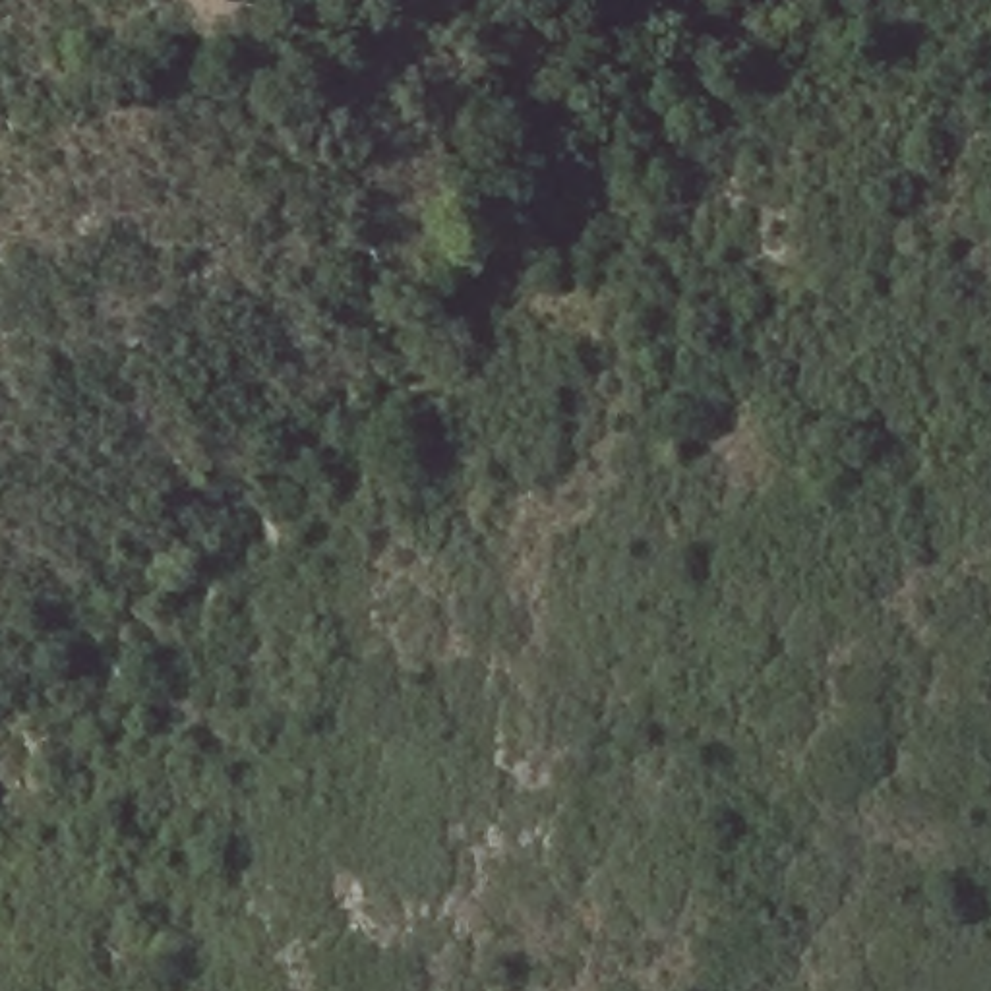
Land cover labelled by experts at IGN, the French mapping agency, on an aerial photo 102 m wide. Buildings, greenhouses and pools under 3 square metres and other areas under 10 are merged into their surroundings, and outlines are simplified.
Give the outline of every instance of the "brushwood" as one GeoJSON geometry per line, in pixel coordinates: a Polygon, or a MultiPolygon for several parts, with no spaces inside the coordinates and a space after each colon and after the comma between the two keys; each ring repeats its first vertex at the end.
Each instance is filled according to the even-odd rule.
{"type": "Polygon", "coordinates": [[[736,124],[728,132],[716,132],[705,108],[693,108],[677,97],[670,74],[654,77],[650,108],[666,120],[666,135],[685,147],[685,159],[670,174],[662,163],[631,170],[639,132],[627,124],[627,116],[616,120],[616,147],[600,159],[600,170],[577,166],[565,151],[565,128],[577,120],[569,105],[538,97],[534,105],[526,105],[519,120],[523,143],[542,163],[534,194],[542,197],[542,217],[526,236],[496,232],[480,252],[472,252],[480,259],[476,275],[457,267],[453,294],[441,310],[465,321],[468,337],[484,345],[492,356],[480,375],[465,383],[461,399],[445,399],[426,414],[406,418],[422,472],[414,484],[406,484],[403,468],[360,472],[348,453],[337,453],[321,437],[321,430],[337,403],[348,399],[348,375],[364,372],[364,356],[372,352],[364,325],[375,321],[372,286],[379,275],[372,271],[368,248],[410,244],[422,232],[422,221],[406,213],[399,221],[379,221],[383,205],[399,201],[368,178],[375,166],[430,155],[434,147],[399,116],[391,89],[414,58],[422,58],[434,46],[430,31],[449,23],[453,15],[472,12],[476,0],[391,0],[387,27],[360,27],[356,54],[348,66],[329,54],[314,70],[317,97],[348,112],[348,124],[329,143],[329,151],[298,147],[294,132],[286,128],[286,116],[275,124],[259,120],[248,105],[248,70],[236,70],[228,62],[221,77],[201,81],[194,74],[201,35],[194,31],[194,8],[186,0],[58,0],[46,27],[0,35],[0,213],[12,209],[4,194],[23,186],[23,174],[54,170],[66,163],[66,151],[54,135],[62,124],[89,124],[93,132],[108,128],[116,143],[143,143],[147,135],[155,135],[166,159],[182,159],[197,143],[209,151],[213,166],[232,166],[232,155],[248,151],[248,182],[267,197],[267,213],[248,236],[248,259],[252,267],[259,267],[259,290],[248,290],[240,279],[228,279],[232,290],[225,290],[221,298],[205,286],[190,286],[190,271],[201,271],[209,263],[205,252],[190,252],[178,263],[178,298],[170,298],[166,290],[159,290],[159,248],[147,244],[132,221],[105,225],[89,209],[77,217],[81,240],[66,252],[39,252],[31,240],[23,240],[12,244],[0,263],[0,991],[294,991],[286,968],[279,964],[279,952],[290,937],[302,941],[302,956],[314,972],[314,991],[406,991],[414,983],[414,952],[406,945],[379,948],[364,933],[356,933],[333,883],[345,871],[356,875],[364,894],[379,894],[387,902],[387,914],[403,910],[403,902],[445,902],[453,886],[472,890],[472,852],[461,852],[457,836],[465,836],[461,821],[472,809],[472,782],[499,774],[492,759],[496,712],[503,708],[503,697],[515,689],[499,674],[496,689],[484,693],[484,670],[492,654],[519,654],[530,639],[526,604],[511,604],[507,569],[496,554],[507,546],[515,496],[554,492],[573,468],[600,472],[592,449],[596,441],[619,430],[631,434],[631,441],[616,449],[619,484],[600,492],[600,503],[588,523],[554,534],[550,546],[550,662],[546,670],[538,670],[534,689],[546,705],[546,747],[565,743],[585,751],[581,759],[565,759],[554,770],[554,778],[573,786],[573,809],[557,825],[554,848],[565,867],[577,859],[585,867],[600,867],[608,859],[616,828],[627,828],[639,856],[619,859],[616,867],[623,875],[646,879],[646,906],[670,898],[670,914],[681,914],[685,902],[708,898],[708,933],[693,948],[693,991],[991,991],[991,0],[906,0],[906,19],[925,23],[925,43],[917,58],[902,58],[898,66],[867,62],[867,31],[852,19],[832,19],[817,35],[813,58],[790,74],[782,93],[743,89],[728,105],[736,124]],[[147,93],[159,108],[120,108],[120,54],[128,54],[128,46],[151,50],[163,31],[174,31],[174,58],[170,66],[143,74],[147,93]],[[774,406],[759,418],[763,445],[778,461],[774,488],[728,492],[728,465],[712,441],[732,434],[736,414],[751,395],[774,399],[774,406]],[[325,480],[310,488],[302,519],[294,519],[290,526],[263,526],[259,515],[240,499],[244,484],[236,476],[236,457],[244,453],[252,422],[259,422],[267,437],[279,441],[279,461],[298,461],[298,453],[310,449],[325,472],[325,480]],[[190,550],[194,557],[186,585],[174,592],[166,592],[163,585],[147,585],[151,557],[174,546],[190,550]],[[422,666],[418,674],[399,670],[387,635],[375,635],[368,627],[368,600],[379,554],[395,557],[399,565],[414,565],[418,554],[441,554],[449,573],[468,581],[468,596],[457,600],[468,658],[422,666]]]}

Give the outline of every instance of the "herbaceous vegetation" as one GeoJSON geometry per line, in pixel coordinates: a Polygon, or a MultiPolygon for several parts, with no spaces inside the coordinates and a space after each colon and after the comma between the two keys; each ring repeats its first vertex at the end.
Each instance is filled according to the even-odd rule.
{"type": "Polygon", "coordinates": [[[39,252],[66,252],[81,240],[77,217],[89,209],[105,225],[132,221],[147,244],[159,248],[159,290],[166,290],[170,298],[178,298],[178,263],[190,252],[205,252],[209,263],[201,271],[190,271],[190,286],[205,286],[221,298],[225,290],[232,290],[228,279],[240,279],[248,290],[259,290],[259,267],[252,267],[248,259],[248,236],[267,213],[267,197],[248,182],[248,151],[232,155],[232,166],[213,166],[209,151],[197,143],[182,159],[166,159],[155,135],[147,135],[143,143],[116,143],[108,128],[93,132],[89,124],[62,124],[54,135],[66,151],[66,163],[54,170],[23,174],[23,186],[4,194],[12,209],[0,213],[0,263],[12,244],[23,240],[31,240],[39,252]]]}
{"type": "Polygon", "coordinates": [[[379,554],[368,600],[368,627],[375,635],[387,635],[399,670],[418,674],[422,666],[468,658],[457,600],[468,596],[468,581],[449,573],[441,554],[418,554],[414,565],[399,565],[395,557],[379,554]]]}
{"type": "Polygon", "coordinates": [[[507,546],[496,554],[507,569],[511,604],[526,604],[530,639],[519,654],[492,654],[484,670],[484,693],[496,689],[499,674],[515,689],[503,697],[503,708],[496,712],[492,759],[499,774],[472,782],[472,809],[461,821],[465,836],[457,836],[461,852],[472,852],[472,890],[453,886],[445,902],[403,902],[403,910],[387,914],[387,902],[379,894],[364,894],[356,875],[345,871],[333,883],[356,933],[364,933],[379,948],[406,945],[414,952],[414,983],[406,991],[693,991],[693,948],[708,933],[708,898],[685,902],[681,914],[670,914],[670,898],[646,906],[646,879],[623,875],[616,867],[619,859],[639,856],[627,828],[616,828],[608,859],[600,867],[585,867],[577,859],[565,867],[554,848],[557,825],[573,809],[573,786],[554,778],[554,770],[565,759],[581,759],[585,751],[565,743],[546,747],[546,705],[534,689],[538,670],[546,670],[550,662],[550,546],[554,534],[588,523],[600,503],[600,492],[619,484],[616,449],[631,441],[631,434],[619,430],[596,441],[592,449],[600,472],[573,468],[554,492],[515,496],[507,546]]]}
{"type": "Polygon", "coordinates": [[[302,941],[290,937],[279,952],[279,964],[286,968],[294,991],[314,991],[314,972],[302,956],[302,941]]]}
{"type": "Polygon", "coordinates": [[[0,0],[0,35],[46,27],[58,0],[0,0]]]}
{"type": "Polygon", "coordinates": [[[728,465],[728,492],[774,488],[778,461],[763,445],[759,418],[774,406],[774,399],[751,395],[736,414],[732,434],[712,441],[728,465]]]}

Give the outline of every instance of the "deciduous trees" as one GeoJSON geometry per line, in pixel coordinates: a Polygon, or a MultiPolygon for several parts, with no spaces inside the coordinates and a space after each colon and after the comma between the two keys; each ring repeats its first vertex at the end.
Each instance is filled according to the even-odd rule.
{"type": "Polygon", "coordinates": [[[453,15],[449,23],[430,31],[434,46],[422,58],[414,58],[391,89],[399,116],[434,147],[430,155],[375,166],[368,178],[399,201],[383,205],[379,221],[399,221],[406,213],[422,221],[422,232],[410,244],[368,248],[372,271],[379,275],[372,286],[375,321],[364,325],[372,352],[364,356],[364,372],[348,375],[348,399],[337,403],[321,430],[321,437],[337,453],[348,453],[360,472],[403,468],[406,484],[414,484],[422,472],[406,418],[426,414],[445,399],[461,399],[465,383],[480,375],[492,356],[484,345],[468,337],[465,321],[441,310],[453,294],[457,267],[476,275],[480,259],[472,252],[480,252],[496,232],[526,236],[542,217],[542,197],[534,194],[542,163],[523,143],[519,120],[526,105],[534,105],[538,97],[569,105],[577,120],[565,128],[565,151],[577,166],[600,170],[600,159],[616,147],[616,120],[627,116],[627,124],[639,132],[631,170],[662,163],[670,174],[685,159],[685,147],[666,135],[666,120],[650,108],[654,77],[670,74],[677,97],[693,108],[705,108],[716,132],[728,132],[736,124],[728,105],[743,89],[782,93],[790,74],[813,58],[817,35],[832,19],[852,19],[867,31],[867,62],[898,66],[902,58],[917,58],[925,43],[925,23],[906,19],[906,0],[476,0],[472,12],[453,15]]]}
{"type": "Polygon", "coordinates": [[[174,58],[174,31],[163,31],[151,50],[128,46],[128,54],[120,54],[120,108],[159,108],[147,93],[143,74],[170,66],[174,58]]]}
{"type": "Polygon", "coordinates": [[[267,437],[259,422],[252,422],[244,453],[236,457],[236,476],[244,484],[240,499],[259,515],[263,526],[290,526],[294,519],[302,519],[310,488],[325,480],[325,472],[310,449],[298,453],[298,461],[279,461],[279,441],[267,437]]]}
{"type": "Polygon", "coordinates": [[[387,27],[391,0],[236,0],[236,15],[221,15],[217,35],[201,35],[194,74],[201,81],[221,77],[228,62],[236,70],[248,70],[248,105],[259,120],[275,124],[286,116],[286,128],[294,132],[298,147],[329,151],[329,143],[348,124],[348,112],[317,97],[314,70],[329,54],[348,66],[356,54],[360,27],[387,27]]]}
{"type": "Polygon", "coordinates": [[[186,585],[194,557],[190,550],[174,546],[151,557],[147,585],[163,585],[166,592],[174,592],[186,585]]]}

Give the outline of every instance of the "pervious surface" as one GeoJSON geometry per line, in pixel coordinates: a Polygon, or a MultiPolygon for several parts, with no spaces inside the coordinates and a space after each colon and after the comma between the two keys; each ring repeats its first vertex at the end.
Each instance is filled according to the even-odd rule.
{"type": "Polygon", "coordinates": [[[217,35],[221,15],[236,15],[236,0],[186,0],[194,8],[194,31],[201,35],[217,35]]]}

